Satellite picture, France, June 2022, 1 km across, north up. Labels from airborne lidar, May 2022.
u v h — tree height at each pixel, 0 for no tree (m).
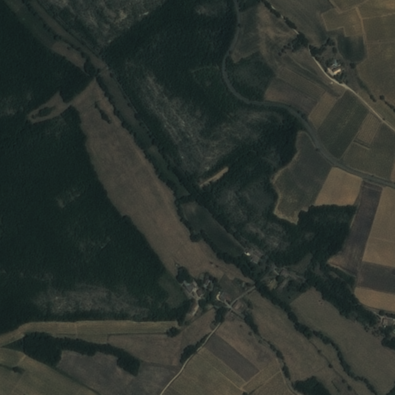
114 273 10
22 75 10
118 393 0
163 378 0
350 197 0
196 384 0
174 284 0
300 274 11
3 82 10
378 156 0
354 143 0
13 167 9
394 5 0
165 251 0
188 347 12
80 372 0
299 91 0
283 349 0
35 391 0
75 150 13
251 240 7
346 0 0
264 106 9
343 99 0
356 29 0
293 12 0
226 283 0
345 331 0
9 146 9
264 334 0
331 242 15
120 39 10
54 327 0
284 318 0
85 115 0
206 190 15
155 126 10
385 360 0
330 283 8
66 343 9
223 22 9
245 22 0
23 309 13
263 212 6
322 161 0
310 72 0
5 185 12
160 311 9
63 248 10
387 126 0
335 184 0
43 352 13
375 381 0
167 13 17
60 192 14
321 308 0
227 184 8
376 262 0
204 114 7
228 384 0
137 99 8
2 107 8
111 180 0
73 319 11
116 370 0
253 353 0
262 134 7
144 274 15
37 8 0
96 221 10
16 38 14
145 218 0
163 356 0
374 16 0
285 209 0
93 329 0
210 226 0
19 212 9
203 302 14
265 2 12
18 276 6
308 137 0
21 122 18
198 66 9
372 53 0
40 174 9
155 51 7
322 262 9
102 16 8
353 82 0
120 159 0
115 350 15
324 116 0
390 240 0
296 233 7
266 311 0
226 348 0
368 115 0
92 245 9
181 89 7
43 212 11
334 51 13
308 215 12
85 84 22
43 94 13
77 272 8
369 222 0
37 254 10
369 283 0
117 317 8
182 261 0
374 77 0
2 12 15
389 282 0
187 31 9
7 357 0
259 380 0
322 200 0
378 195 0
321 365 0
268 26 0
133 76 6
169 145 8
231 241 0
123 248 12
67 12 7
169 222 0
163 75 6
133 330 0
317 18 0
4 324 19
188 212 0
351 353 0
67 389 0
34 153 12
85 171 16
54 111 0
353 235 0
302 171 0
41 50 13
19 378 0
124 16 0
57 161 11
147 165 0
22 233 11
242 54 0
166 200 0
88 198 12
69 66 10
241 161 13
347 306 12
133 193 0
